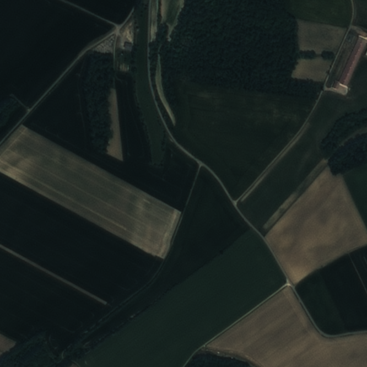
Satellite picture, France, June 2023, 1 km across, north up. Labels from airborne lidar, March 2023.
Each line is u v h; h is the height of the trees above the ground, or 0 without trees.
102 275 0
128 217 0
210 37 20
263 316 0
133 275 0
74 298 0
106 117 23
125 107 0
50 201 0
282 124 0
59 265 0
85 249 0
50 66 0
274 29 19
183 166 0
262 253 0
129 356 0
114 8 0
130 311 0
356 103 0
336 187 0
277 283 0
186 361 0
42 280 0
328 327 0
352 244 0
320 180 0
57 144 0
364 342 0
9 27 0
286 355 0
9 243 0
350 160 21
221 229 0
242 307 0
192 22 15
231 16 23
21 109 0
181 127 0
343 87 0
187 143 0
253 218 0
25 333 0
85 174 0
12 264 0
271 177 0
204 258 0
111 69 20
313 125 0
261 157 0
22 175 0
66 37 0
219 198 0
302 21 0
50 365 17
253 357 0
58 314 0
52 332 0
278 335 0
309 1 0
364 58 0
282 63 18
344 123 10
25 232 0
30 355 19
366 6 0
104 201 0
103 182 0
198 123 0
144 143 0
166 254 0
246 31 12
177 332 0
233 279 0
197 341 0
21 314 0
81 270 0
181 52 14
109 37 0
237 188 0
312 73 0
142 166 0
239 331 0
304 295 0
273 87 15
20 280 0
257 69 16
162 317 0
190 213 0
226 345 0
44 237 0
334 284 0
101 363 0
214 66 21
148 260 0
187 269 0
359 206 0
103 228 0
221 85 15
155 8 0
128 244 0
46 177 0
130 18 0
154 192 0
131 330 0
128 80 0
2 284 0
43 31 0
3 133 0
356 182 0
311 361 0
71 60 0
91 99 22
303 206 0
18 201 0
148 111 0
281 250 0
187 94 0
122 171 0
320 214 0
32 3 0
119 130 0
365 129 0
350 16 0
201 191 0
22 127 0
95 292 0
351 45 0
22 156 0
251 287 0
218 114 0
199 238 0
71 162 0
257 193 0
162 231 0
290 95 11
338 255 0
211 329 0
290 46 18
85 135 0
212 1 18
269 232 0
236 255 0
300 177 0
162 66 8
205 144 0
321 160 0
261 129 0
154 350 0
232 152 0
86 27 0
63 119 0
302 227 0
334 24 0
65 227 0
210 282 0
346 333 0
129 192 0
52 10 0
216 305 0
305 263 0
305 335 0
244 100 0
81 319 0
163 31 16
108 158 0
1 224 0
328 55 15
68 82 0
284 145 0
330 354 0
